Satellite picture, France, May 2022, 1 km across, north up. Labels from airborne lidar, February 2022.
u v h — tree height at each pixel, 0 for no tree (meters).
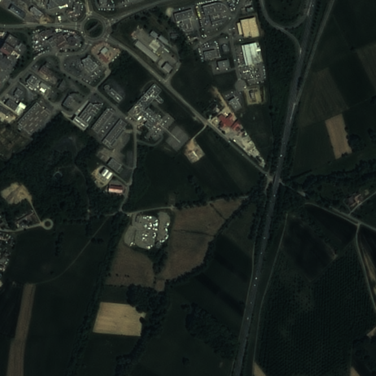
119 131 0
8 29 0
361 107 0
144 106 0
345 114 0
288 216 0
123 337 0
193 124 0
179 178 0
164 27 0
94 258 0
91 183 8
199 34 0
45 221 0
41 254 0
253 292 0
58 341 0
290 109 0
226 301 0
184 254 0
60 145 0
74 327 0
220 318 0
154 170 0
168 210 0
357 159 0
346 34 0
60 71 0
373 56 0
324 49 0
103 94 0
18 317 0
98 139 0
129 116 0
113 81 0
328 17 0
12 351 0
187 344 0
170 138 0
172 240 0
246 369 0
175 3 0
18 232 0
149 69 0
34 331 0
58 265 0
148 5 0
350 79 0
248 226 0
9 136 0
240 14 0
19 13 0
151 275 0
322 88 0
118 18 0
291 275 0
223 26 0
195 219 0
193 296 0
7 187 0
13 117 0
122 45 0
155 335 23
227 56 0
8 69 0
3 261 0
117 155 0
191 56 0
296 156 0
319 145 0
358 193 0
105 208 9
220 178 0
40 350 0
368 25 0
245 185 0
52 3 0
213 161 0
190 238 0
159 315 19
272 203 0
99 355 0
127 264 0
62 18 0
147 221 0
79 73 0
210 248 18
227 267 0
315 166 0
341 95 0
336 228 0
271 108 12
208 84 0
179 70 0
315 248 0
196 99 0
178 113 0
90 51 0
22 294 0
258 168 0
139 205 0
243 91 0
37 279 0
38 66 0
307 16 0
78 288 0
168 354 0
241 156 0
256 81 0
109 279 0
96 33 0
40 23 0
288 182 21
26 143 0
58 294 0
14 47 0
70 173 0
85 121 0
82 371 0
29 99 0
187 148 0
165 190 0
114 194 8
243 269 0
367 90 0
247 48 0
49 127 16
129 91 0
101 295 11
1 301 0
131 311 0
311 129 0
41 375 0
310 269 0
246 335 0
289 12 0
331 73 0
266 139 0
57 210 6
